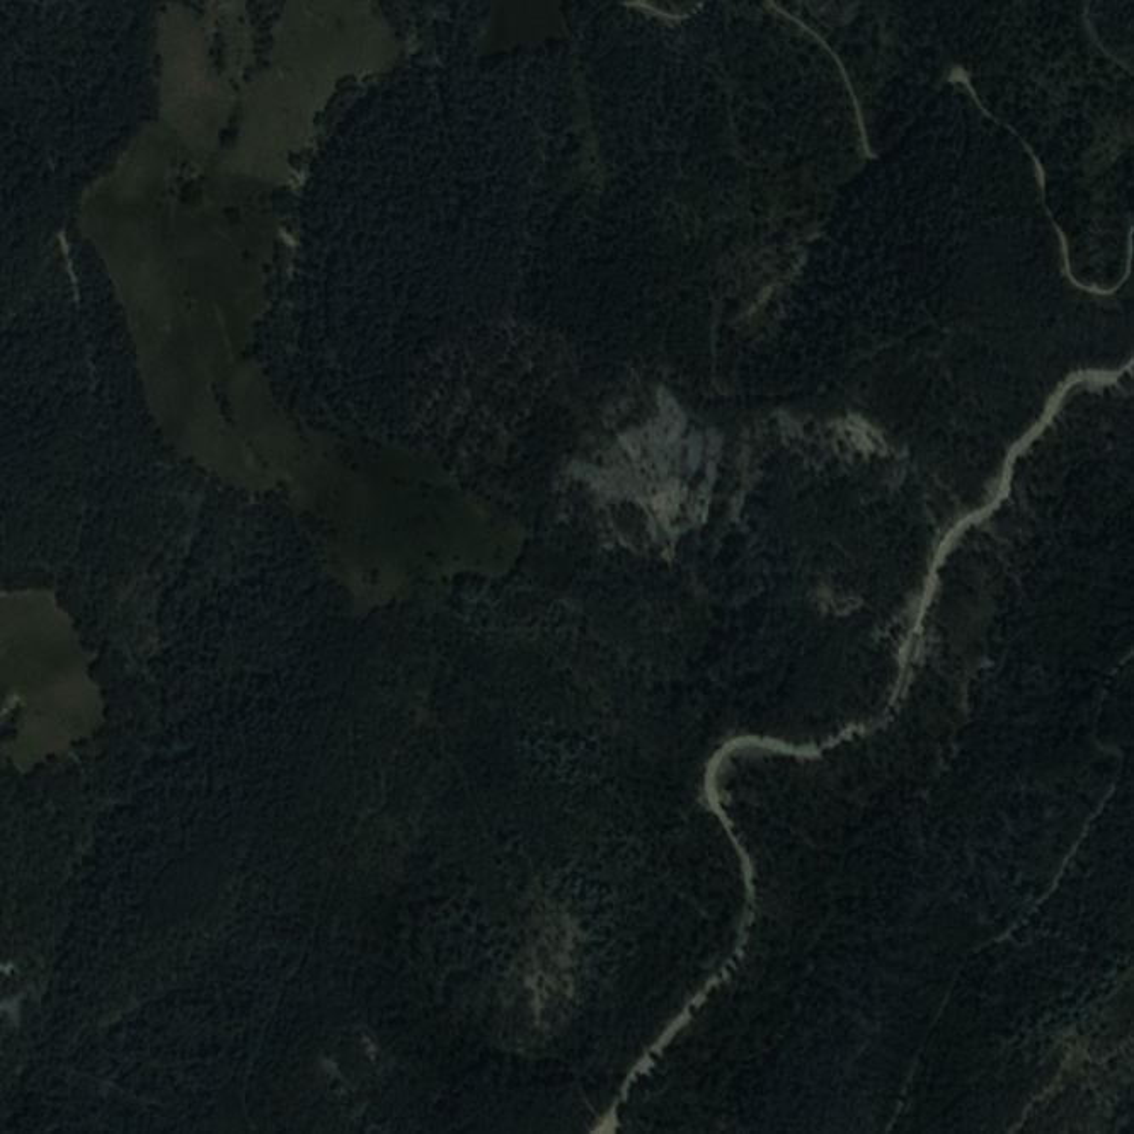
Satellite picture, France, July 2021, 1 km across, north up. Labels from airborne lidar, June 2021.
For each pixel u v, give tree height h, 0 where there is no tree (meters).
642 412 15
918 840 19
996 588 8
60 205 11
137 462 9
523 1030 12
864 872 12
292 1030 6
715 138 14
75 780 9
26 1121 10
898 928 26
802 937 17
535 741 23
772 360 22
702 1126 28
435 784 8
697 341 9
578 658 16
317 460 0
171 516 12
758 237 10
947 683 24
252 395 0
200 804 10
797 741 11
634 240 8
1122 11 11
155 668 16
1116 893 7
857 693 20
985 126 11
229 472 0
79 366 11
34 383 13
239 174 0
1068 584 15
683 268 9
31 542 11
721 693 17
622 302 11
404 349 16
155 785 9
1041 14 9
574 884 16
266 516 11
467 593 20
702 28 10
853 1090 20
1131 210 9
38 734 0
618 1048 19
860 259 28
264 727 9
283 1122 8
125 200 0
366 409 16
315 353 16
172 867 12
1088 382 0
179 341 0
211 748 13
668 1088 9
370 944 17
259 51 8
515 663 8
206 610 20
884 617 16
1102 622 5
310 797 7
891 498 7
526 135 14
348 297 12
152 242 0
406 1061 27
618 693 15
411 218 15
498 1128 19
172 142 0
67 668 0
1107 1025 14
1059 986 19
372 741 11
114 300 8
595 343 13
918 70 14
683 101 12
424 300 16
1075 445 6
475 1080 24
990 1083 9
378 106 19
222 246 0
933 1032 7
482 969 15
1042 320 7
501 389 17
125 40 14
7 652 0
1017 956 8
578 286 13
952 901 7
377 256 13
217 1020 11
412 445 14
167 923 9
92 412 9
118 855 14
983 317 8
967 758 11
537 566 10
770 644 24
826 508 24
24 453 16
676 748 20
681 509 9
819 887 22
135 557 12
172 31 0
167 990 13
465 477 7
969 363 22
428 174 17
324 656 11
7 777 14
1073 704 9
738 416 16
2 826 11
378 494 0
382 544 0
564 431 9
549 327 13
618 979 8
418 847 7
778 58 14
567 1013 18
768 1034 13
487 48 0
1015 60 10
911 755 24
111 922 6
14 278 10
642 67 12
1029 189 7
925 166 18
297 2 0
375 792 7
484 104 13
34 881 11
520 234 14
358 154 18
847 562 21
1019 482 10
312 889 8
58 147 15
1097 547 6
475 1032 24
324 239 17
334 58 0
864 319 21
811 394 15
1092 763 9
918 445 16
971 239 8
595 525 19
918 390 13
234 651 8
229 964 6
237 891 11
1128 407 19
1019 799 13
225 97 0
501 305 15
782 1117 18
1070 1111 14
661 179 9
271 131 0
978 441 22
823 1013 20
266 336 13
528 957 8
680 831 22
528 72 18
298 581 11
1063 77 8
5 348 11
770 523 7
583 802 14
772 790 21
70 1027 8
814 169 11
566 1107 21
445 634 9
